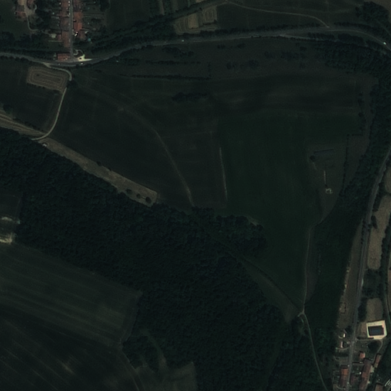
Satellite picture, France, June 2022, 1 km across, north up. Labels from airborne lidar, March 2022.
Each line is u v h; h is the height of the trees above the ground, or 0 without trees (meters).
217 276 26
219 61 0
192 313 10
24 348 0
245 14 0
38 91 0
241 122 0
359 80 0
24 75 0
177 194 0
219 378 14
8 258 0
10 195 0
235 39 0
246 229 23
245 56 0
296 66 0
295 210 0
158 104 0
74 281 0
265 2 0
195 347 0
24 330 0
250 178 0
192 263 8
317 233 0
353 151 0
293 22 0
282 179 0
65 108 0
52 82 0
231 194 0
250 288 20
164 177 0
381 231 0
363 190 15
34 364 0
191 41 0
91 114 0
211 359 7
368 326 0
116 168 0
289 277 0
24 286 0
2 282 0
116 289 0
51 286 0
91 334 0
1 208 0
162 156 0
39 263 0
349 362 0
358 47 20
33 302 0
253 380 23
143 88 0
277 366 11
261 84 0
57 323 0
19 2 0
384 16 10
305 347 22
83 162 0
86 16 0
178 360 9
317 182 0
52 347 0
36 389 0
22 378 0
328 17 0
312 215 0
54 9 0
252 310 8
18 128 0
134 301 0
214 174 0
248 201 0
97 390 0
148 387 0
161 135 0
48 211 22
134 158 0
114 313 0
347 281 0
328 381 6
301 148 0
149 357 15
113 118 0
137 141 0
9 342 0
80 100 0
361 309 17
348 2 0
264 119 0
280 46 0
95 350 0
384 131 19
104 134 0
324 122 0
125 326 0
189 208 0
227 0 0
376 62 20
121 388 0
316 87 0
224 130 0
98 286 0
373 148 15
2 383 0
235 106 0
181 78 16
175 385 0
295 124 0
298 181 0
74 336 0
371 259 0
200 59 0
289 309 0
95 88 0
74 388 0
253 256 12
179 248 26
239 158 0
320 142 0
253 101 0
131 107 0
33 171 23
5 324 0
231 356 16
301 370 14
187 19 0
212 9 0
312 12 0
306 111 0
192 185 0
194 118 0
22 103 0
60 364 0
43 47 0
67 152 0
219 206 0
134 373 0
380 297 6
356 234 0
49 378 0
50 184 21
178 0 0
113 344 0
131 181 0
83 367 0
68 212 20
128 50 0
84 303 0
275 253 0
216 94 0
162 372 0
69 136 0
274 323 26
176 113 0
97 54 0
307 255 0
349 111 0
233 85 0
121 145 0
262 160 0
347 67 15
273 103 0
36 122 0
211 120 0
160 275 0
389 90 12
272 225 0
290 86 0
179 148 0
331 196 0
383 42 0
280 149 0
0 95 0
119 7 0
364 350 0
